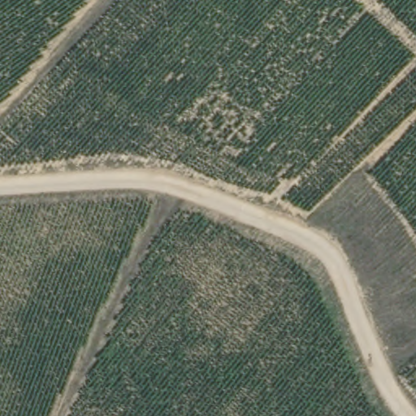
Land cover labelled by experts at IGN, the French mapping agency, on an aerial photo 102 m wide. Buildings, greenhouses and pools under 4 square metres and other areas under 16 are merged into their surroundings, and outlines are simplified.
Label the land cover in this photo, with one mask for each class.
<instances>
[{"label":"vineyard","instance_id":"1","mask_svg":"<svg viewBox=\"0 0 416 416\"><path fill-rule=\"evenodd\" d=\"M107 167L153 169L158 171V174L180 177L192 182L193 185H201L208 190L223 193L226 197L260 206L262 210L276 211L281 218L292 223L307 224L309 227L327 231L343 247L349 266L356 273L357 283L361 284L366 297V307L374 318L375 333L383 346H387V351L383 354L392 367L396 385L416 409V0H0V177H32L94 169L106 171ZM0 416H395L385 405L379 388L375 387L374 380L364 364L327 268L307 250L258 227L239 223L219 211L203 208L192 201L154 190L102 188L75 192L0 195Z\"/></svg>","mask_w":416,"mask_h":416},{"label":"pervious surface","instance_id":"2","mask_svg":"<svg viewBox=\"0 0 416 416\"><path fill-rule=\"evenodd\" d=\"M102 188L154 190L192 201L203 208L219 211L239 223L258 227L307 250L327 268L364 364L374 380L375 387L379 388L385 405L395 416H416V409L396 385L392 367L383 354L387 351V346H383L375 333L374 318L366 307V297L361 284L357 283L356 273L349 266L343 247L327 231L309 227L307 224L292 223L281 218L276 211L262 210L260 206L226 197L223 193L208 190L201 185H193L192 182L180 177L158 174V171L153 169L107 167L106 171L94 169L32 177H0V195L75 192Z\"/></svg>","mask_w":416,"mask_h":416}]
</instances>
